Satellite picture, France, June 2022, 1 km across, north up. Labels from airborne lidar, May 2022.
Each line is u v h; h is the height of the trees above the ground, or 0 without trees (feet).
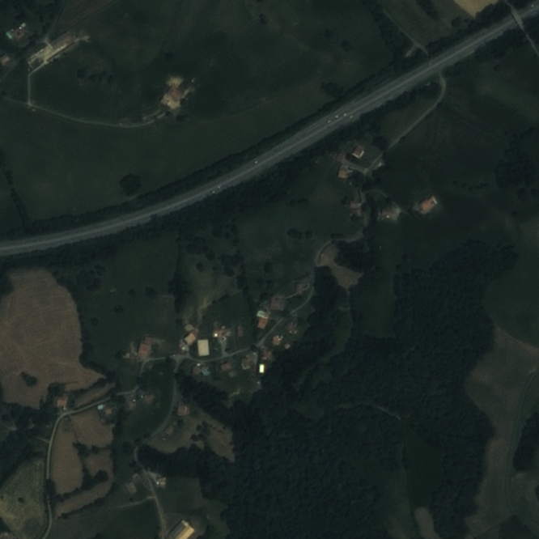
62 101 0
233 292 0
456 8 0
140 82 0
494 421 0
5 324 0
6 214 0
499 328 0
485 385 0
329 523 31
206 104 0
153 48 0
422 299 65
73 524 0
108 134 0
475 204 0
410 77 0
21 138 0
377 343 54
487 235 0
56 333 0
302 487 60
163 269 0
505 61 0
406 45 48
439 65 0
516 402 0
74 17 0
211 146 0
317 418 0
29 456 25
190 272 0
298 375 71
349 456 35
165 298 0
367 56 0
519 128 0
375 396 50
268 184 51
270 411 76
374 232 47
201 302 0
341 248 60
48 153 0
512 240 0
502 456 0
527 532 24
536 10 0
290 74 0
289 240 0
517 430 0
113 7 0
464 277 59
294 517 55
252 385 0
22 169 0
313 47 0
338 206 0
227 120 0
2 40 66
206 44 0
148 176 0
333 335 58
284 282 0
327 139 22
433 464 0
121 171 0
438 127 0
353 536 32
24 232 51
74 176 0
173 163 0
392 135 0
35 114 0
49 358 0
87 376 0
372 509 26
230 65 0
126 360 0
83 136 0
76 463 0
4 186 0
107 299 0
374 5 59
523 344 0
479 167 0
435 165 0
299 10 0
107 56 0
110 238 45
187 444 0
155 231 50
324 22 0
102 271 71
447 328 76
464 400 77
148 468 40
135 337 0
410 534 0
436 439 69
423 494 0
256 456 62
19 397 0
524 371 0
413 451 0
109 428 0
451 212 0
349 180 30
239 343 0
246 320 0
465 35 28
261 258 0
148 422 0
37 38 29
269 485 65
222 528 0
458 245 0
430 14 51
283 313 30
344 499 37
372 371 60
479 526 0
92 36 0
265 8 0
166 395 0
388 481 0
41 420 53
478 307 34
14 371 0
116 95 0
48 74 0
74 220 42
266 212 0
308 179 0
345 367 69
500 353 0
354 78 0
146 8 0
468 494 68
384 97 0
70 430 0
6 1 52
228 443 0
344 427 37
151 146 0
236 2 0
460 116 0
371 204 36
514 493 0
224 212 78
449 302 53
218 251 0
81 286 31
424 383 63
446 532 63
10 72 0
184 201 0
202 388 64
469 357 83
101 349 0
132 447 74
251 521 79
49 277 0
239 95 0
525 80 0
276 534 26
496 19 69
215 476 64
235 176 0
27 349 0
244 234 0
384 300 0
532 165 66
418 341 73
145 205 36
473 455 78
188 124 0
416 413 63
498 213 0
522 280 0
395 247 0
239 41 0
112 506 0
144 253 0
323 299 63
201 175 54
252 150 38
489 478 0
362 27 0
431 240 0
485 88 0
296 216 0
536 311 0
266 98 0
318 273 68
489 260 65
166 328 0
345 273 0
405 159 0
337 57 0
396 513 0
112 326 0
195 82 0
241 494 76
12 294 0
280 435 40
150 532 0
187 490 0
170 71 0
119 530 0
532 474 0
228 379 0
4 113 0
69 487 0
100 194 0
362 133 60
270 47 0
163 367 0
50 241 0
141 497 0
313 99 0
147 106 0
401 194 0
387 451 25
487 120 0
